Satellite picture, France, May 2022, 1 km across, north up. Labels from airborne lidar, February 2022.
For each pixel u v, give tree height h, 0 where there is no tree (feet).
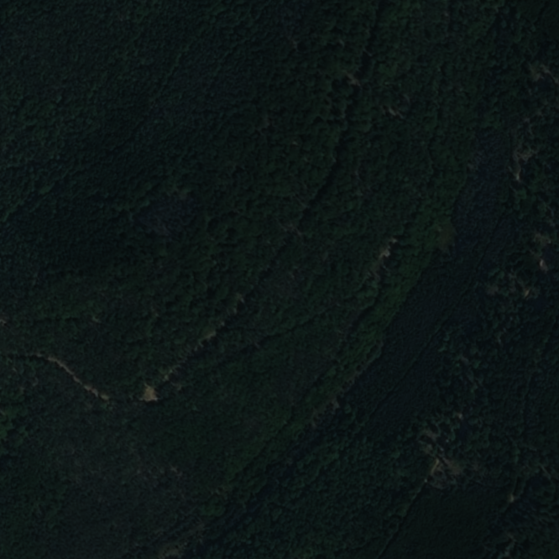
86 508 91
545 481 83
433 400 50
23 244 79
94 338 80
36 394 92
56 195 89
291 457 56
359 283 0
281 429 77
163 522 72
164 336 93
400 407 58
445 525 57
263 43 98
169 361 90
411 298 63
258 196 89
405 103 103
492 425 0
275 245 89
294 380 81
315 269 88
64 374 84
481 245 60
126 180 90
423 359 65
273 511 98
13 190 87
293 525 96
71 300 79
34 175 94
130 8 94
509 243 53
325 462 91
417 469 101
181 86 71
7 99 93
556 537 101
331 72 98
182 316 88
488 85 109
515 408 87
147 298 79
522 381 85
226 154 93
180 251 104
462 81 87
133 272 74
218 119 92
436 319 57
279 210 65
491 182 95
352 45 94
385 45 99
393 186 85
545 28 56
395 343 39
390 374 53
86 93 97
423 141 79
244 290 73
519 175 0
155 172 99
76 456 79
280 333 84
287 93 92
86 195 95
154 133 87
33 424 88
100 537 83
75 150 90
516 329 87
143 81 88
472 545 56
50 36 95
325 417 35
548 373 83
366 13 104
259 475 98
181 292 97
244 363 91
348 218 91
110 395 84
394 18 86
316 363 72
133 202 96
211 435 72
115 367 75
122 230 99
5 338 73
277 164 97
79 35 87
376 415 56
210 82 81
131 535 85
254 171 92
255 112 101
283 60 87
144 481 81
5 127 86
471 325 41
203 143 88
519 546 101
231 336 75
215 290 106
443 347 70
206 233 92
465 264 52
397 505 100
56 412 77
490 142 96
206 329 90
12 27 91
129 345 80
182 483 85
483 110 90
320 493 77
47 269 58
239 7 89
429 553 56
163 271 91
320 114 111
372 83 93
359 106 96
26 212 85
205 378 79
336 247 87
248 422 68
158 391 75
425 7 84
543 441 77
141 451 89
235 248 99
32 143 83
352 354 96
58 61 97
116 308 74
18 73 93
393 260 60
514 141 37
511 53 105
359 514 98
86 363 77
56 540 91
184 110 77
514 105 37
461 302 52
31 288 70
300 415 85
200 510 97
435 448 84
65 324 87
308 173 97
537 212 95
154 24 91
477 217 78
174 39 94
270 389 85
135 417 71
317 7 77
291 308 83
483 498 47
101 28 89
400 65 92
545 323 96
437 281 46
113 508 90
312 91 108
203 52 86
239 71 72
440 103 93
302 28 80
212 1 96
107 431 67
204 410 93
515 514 42
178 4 93
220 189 70
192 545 24
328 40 96
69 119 84
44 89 90
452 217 78
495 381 85
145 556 113
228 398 83
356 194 92
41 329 80
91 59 89
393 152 107
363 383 56
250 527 100
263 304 82
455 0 76
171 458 93
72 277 72
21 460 102
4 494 108
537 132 36
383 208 84
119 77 79
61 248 86
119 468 79
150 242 88
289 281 83
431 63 95
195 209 69
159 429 79
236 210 92
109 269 77
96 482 89
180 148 99
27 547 82
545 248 0
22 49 91
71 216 89
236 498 59
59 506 77
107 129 94
